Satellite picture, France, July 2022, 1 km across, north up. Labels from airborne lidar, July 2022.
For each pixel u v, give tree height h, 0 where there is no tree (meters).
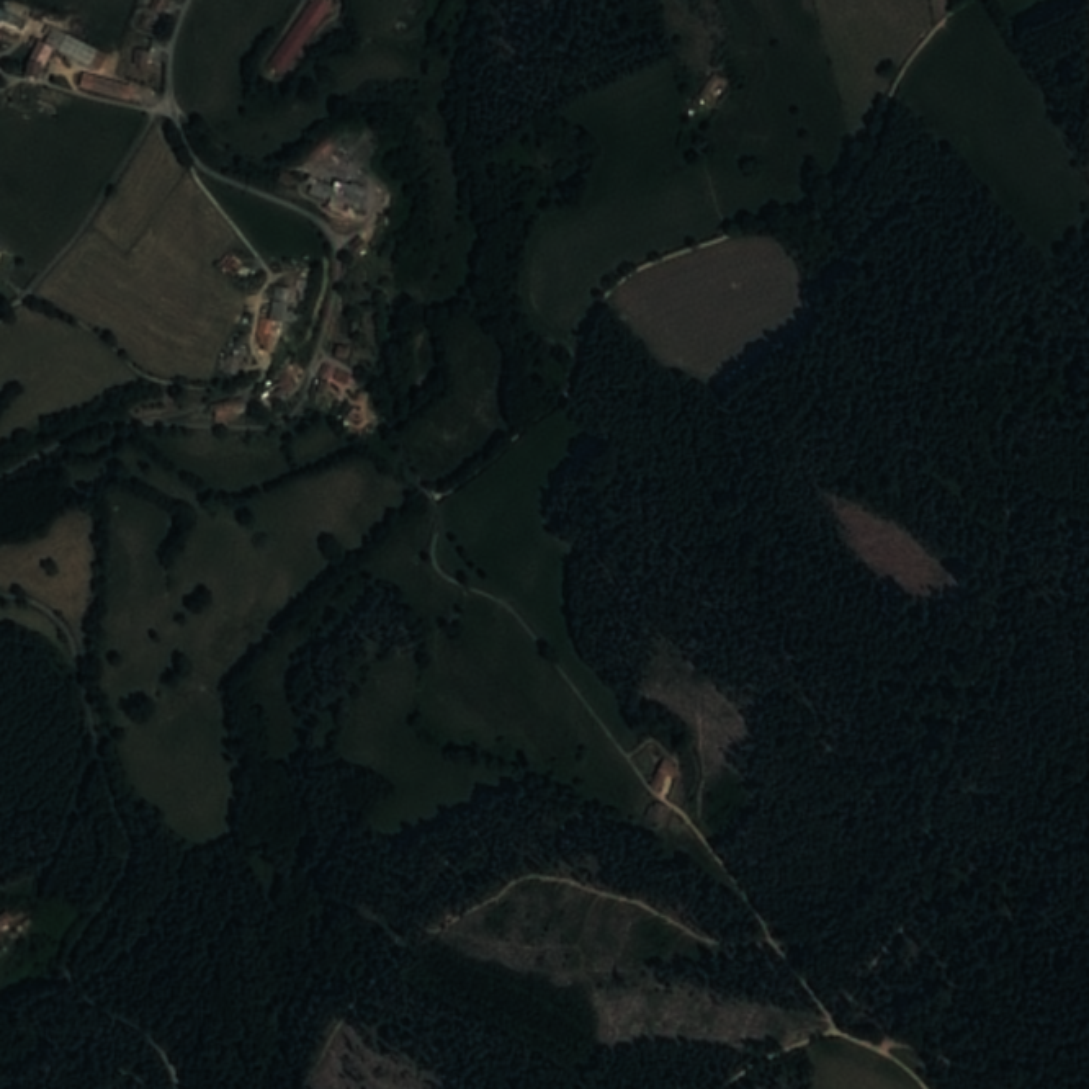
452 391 10
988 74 0
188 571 0
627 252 0
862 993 19
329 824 31
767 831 15
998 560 26
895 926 26
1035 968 22
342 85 0
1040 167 0
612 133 0
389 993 24
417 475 11
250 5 0
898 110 19
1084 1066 28
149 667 0
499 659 0
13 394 14
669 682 0
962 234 34
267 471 0
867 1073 0
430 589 0
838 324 30
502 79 27
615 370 19
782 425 40
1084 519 11
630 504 24
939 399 16
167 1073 17
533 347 10
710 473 20
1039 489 15
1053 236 0
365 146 0
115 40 0
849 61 0
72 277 0
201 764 0
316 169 0
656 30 13
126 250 0
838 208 36
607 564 29
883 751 27
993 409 16
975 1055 40
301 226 0
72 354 0
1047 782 26
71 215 0
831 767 21
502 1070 23
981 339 35
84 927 7
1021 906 12
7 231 0
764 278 0
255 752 22
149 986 20
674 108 0
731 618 28
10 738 21
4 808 22
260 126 0
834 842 20
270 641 15
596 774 0
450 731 0
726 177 0
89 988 29
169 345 0
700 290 0
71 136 0
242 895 22
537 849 25
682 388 19
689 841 0
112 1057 25
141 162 0
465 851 31
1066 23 35
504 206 12
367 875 41
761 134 0
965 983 19
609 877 19
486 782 0
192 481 13
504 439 18
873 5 0
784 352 32
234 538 0
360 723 0
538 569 0
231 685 18
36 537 20
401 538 0
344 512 0
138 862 17
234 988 22
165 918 20
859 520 0
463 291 12
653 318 0
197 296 0
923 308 37
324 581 19
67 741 22
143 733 0
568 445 0
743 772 21
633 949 0
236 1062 26
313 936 19
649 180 0
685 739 20
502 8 11
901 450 29
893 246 34
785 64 0
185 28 0
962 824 28
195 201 0
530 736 0
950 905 9
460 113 22
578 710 0
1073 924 28
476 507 0
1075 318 31
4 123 0
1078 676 27
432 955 8
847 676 30
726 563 31
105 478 10
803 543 22
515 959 0
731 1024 0
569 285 0
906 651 39
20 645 18
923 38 0
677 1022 0
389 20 0
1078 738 19
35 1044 11
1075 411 15
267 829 19
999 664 25
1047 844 26
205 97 0
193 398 0
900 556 0
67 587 0
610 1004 0
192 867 22
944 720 8
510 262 19
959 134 0
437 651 0
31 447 9
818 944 34
